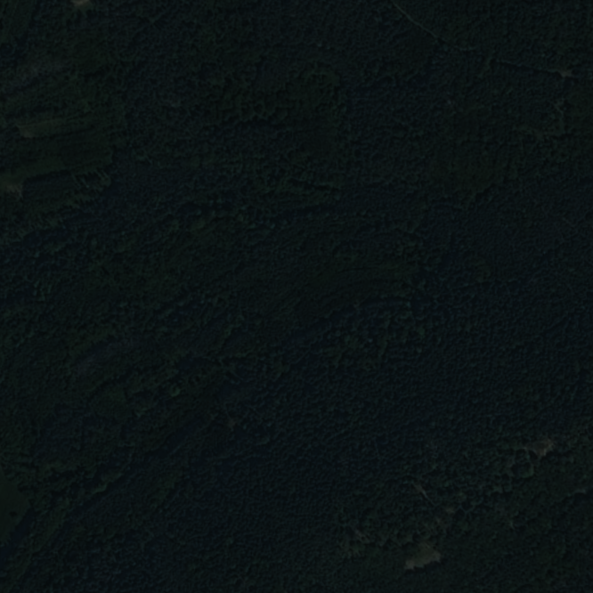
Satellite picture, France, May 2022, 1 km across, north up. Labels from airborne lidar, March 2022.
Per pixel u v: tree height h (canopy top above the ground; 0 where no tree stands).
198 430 27
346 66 27
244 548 27
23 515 0
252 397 29
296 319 10
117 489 25
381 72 31
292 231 21
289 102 13
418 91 34
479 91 22
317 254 18
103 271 11
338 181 30
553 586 24
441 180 19
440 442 27
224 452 28
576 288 20
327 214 22
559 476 20
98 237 23
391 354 34
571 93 21
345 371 34
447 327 30
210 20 19
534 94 23
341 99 13
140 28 23
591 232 19
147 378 32
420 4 16
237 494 30
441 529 13
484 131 20
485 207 22
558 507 25
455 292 33
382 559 20
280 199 14
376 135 22
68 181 22
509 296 28
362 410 25
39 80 15
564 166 18
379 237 30
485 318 34
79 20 24
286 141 27
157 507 26
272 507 31
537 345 26
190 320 30
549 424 25
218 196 13
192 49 19
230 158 28
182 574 27
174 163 27
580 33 8
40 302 31
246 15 22
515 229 17
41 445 33
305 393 32
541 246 20
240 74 12
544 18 18
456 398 30
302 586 23
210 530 26
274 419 30
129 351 20
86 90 16
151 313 22
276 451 28
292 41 29
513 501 20
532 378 29
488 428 31
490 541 19
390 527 19
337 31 31
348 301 15
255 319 24
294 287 16
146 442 16
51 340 19
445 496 23
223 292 26
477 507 21
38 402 16
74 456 29
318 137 18
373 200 28
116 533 11
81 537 14
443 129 20
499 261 20
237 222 18
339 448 29
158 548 27
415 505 18
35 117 22
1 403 27
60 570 15
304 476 28
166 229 26
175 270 14
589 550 32
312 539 22
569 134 7
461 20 17
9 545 0
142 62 19
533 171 16
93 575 35
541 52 18
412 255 15
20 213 13
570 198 19
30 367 16
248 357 24
